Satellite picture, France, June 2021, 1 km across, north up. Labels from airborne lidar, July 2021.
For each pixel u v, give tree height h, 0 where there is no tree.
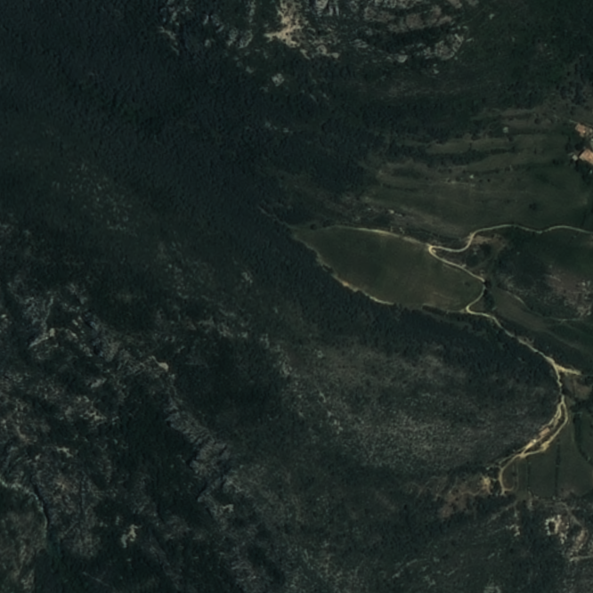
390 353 7
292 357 0
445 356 7
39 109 11
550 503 0
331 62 8
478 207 0
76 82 17
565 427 0
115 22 10
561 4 7
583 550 0
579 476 0
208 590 5
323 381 0
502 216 0
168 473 7
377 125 8
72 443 7
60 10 12
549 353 8
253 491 0
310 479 7
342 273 0
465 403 0
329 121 9
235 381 6
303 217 7
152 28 9
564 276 0
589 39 7
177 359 8
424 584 0
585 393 0
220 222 11
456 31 6
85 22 15
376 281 0
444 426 0
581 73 11
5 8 13
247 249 8
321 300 6
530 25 7
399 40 12
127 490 11
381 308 9
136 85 12
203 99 12
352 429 0
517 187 0
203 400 5
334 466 7
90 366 7
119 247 7
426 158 10
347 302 9
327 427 0
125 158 10
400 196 0
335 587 0
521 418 0
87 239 7
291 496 0
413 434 0
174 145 11
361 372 0
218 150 12
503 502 8
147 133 14
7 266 8
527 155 0
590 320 0
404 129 8
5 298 7
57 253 7
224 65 8
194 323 6
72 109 12
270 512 0
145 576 9
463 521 8
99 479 11
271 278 9
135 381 6
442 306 0
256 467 0
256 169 7
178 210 8
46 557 13
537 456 0
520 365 9
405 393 0
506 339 13
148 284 8
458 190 0
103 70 9
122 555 11
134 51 9
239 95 10
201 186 12
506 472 0
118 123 10
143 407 7
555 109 6
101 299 6
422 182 0
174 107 12
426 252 0
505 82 7
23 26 12
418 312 9
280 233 10
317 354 0
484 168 0
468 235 0
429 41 11
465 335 8
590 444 0
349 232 0
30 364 11
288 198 8
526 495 0
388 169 0
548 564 7
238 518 7
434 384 0
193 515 7
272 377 6
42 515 9
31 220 7
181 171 12
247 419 7
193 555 7
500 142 0
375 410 0
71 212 7
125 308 6
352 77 9
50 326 10
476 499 7
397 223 0
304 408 0
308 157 8
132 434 10
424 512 6
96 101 16
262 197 12
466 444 0
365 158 8
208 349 6
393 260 0
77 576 8
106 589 8
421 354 6
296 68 9
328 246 0
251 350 8
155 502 8
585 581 0
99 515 9
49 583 10
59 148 6
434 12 0
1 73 8
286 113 10
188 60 10
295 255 7
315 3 0
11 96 10
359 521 7
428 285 0
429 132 6
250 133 9
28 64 14
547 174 0
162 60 10
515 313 0
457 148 0
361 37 9
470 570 0
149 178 9
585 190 0
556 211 0
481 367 13
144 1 10
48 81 11
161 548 7
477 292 0
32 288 5
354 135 9
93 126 11
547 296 0
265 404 8
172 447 10
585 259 0
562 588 0
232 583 9
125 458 10
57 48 12
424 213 0
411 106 8
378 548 8
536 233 7
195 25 8
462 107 9
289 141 10
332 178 7
